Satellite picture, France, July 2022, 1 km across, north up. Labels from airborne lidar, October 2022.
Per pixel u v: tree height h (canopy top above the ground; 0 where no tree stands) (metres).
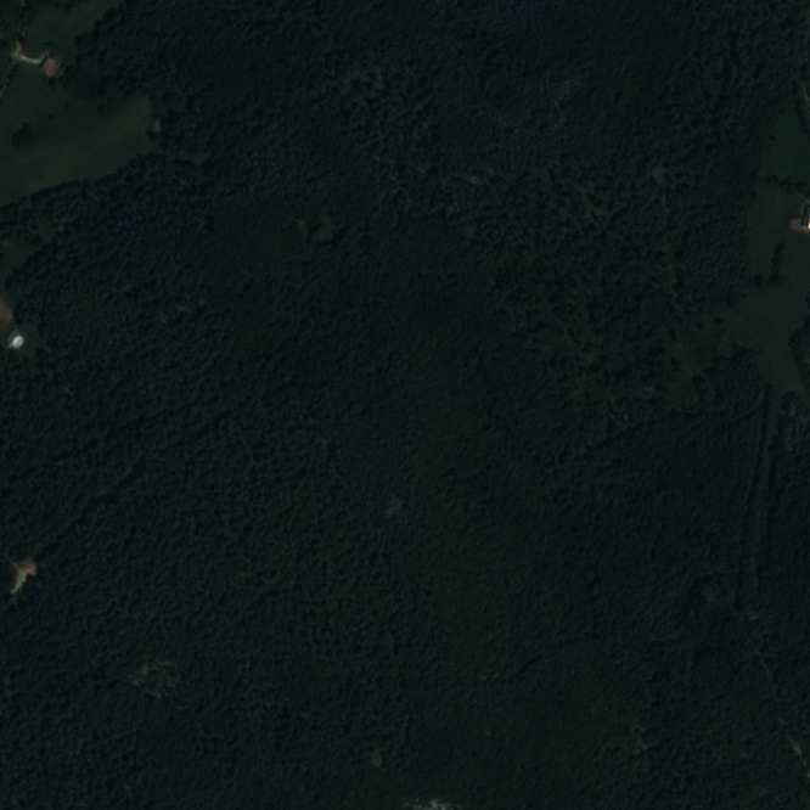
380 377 22
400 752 19
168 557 25
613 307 12
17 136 12
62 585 21
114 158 0
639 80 22
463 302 35
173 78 27
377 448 25
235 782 19
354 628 20
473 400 16
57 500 19
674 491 28
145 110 0
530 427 25
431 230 29
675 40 16
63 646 23
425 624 20
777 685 17
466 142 29
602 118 26
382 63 30
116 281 23
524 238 26
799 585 27
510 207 9
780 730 29
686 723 27
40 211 8
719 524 28
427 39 33
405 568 22
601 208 28
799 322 0
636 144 23
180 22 24
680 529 29
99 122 0
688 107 32
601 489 27
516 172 22
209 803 19
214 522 7
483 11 33
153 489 22
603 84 30
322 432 24
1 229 13
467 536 27
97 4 0
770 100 31
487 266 25
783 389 0
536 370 32
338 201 17
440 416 19
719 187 30
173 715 25
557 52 24
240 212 22
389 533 23
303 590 22
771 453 10
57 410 25
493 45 18
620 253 9
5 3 21
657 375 28
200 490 13
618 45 28
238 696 17
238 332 22
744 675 25
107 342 15
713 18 6
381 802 9
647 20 20
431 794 7
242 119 24
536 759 24
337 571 17
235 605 20
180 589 21
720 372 21
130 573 17
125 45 25
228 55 27
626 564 27
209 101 31
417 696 21
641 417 30
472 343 23
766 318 0
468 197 17
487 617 13
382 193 23
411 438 18
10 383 28
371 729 13
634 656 23
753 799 13
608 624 28
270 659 16
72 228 18
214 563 20
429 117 22
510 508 18
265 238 16
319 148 25
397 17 38
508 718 21
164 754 20
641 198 28
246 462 10
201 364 19
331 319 37
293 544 21
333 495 21
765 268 0
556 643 20
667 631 28
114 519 26
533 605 19
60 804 25
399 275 28
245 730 21
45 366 9
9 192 0
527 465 22
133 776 29
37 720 25
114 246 26
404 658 10
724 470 29
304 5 29
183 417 22
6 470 14
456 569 15
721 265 26
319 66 26
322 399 29
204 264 23
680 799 23
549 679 26
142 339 20
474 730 23
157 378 21
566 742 23
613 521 28
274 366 14
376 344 28
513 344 29
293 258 25
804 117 19
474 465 16
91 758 25
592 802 20
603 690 23
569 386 17
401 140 24
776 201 0
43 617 24
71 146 0
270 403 26
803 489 26
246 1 23
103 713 21
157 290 21
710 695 24
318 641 8
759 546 14
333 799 17
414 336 27
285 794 19
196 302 19
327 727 17
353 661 19
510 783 26
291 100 36
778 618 24
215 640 15
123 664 11
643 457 35
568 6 31
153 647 18
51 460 21
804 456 25
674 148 24
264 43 33
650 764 24
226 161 21
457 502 18
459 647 15
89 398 17
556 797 19
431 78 32
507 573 13
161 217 30
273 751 25
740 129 29
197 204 10
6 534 20
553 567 17
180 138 20
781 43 25
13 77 7
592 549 24
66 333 15
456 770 24
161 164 24
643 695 34
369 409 27
